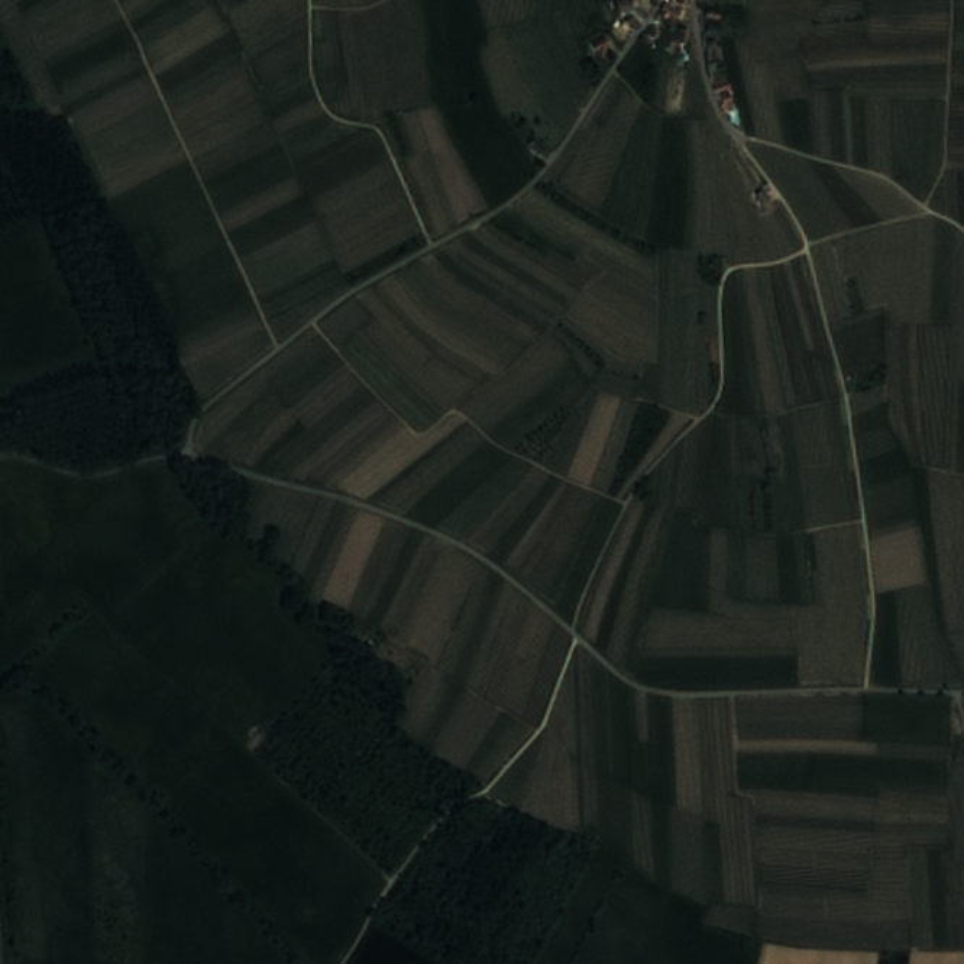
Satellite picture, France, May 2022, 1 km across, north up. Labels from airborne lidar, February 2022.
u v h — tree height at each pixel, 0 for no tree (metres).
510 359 0
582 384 0
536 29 0
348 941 0
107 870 0
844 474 0
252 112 0
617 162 0
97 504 0
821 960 0
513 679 0
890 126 0
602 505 0
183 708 0
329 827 0
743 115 0
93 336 14
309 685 0
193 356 0
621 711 0
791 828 0
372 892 0
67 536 0
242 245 0
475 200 0
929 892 0
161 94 0
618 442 0
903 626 0
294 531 0
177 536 0
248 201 0
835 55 0
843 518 0
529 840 0
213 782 0
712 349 0
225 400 0
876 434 0
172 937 0
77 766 0
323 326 0
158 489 0
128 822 0
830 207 0
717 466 0
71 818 0
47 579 0
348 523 0
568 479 0
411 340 0
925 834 0
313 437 0
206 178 0
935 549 0
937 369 0
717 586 0
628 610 0
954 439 0
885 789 0
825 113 0
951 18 0
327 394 0
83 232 18
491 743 0
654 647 0
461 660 0
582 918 0
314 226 0
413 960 0
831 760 0
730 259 0
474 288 0
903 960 0
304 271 0
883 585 0
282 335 0
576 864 7
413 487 0
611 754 0
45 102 0
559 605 0
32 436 30
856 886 0
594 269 0
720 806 0
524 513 0
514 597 0
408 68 0
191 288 0
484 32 0
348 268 0
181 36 0
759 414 0
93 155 0
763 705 0
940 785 0
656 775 0
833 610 0
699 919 0
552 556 0
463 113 0
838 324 0
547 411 0
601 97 0
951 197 0
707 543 0
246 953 0
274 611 0
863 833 0
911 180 0
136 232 0
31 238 0
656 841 0
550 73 0
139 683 0
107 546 0
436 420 0
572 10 0
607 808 0
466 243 0
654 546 0
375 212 0
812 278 0
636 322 0
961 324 0
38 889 0
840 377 0
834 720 0
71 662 0
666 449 0
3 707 0
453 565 0
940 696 7
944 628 0
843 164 0
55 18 0
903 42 0
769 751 0
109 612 0
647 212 0
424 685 0
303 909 0
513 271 0
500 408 0
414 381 0
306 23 0
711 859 0
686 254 0
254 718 0
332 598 0
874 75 0
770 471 7
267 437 0
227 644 0
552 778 0
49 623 0
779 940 0
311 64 0
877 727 0
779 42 0
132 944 0
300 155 0
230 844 0
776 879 0
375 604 0
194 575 0
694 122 0
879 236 0
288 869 0
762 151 0
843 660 0
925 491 0
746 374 0
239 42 0
